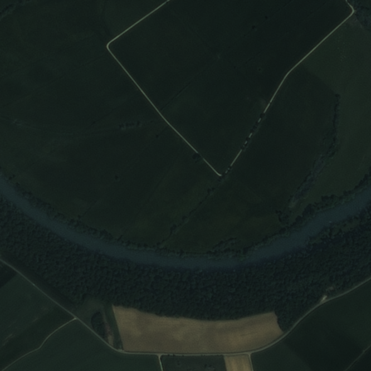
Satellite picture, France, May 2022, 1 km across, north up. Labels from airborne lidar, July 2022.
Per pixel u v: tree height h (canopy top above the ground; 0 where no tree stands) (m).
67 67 0
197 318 7
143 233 0
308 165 0
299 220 16
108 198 0
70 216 0
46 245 25
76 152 0
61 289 16
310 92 0
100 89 0
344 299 0
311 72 0
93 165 0
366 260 19
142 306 20
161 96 0
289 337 0
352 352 0
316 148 0
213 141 0
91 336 0
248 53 0
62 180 0
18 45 0
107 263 25
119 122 0
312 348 0
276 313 12
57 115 0
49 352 0
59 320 0
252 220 0
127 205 0
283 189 0
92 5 0
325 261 18
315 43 0
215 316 19
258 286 22
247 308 18
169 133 0
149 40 0
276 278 20
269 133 0
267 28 0
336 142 16
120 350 0
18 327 0
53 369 0
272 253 0
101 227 0
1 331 0
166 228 0
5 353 0
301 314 18
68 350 0
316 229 0
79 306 8
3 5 0
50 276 16
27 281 0
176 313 21
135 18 0
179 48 0
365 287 0
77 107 0
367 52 0
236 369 0
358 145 0
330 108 0
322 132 0
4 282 0
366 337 0
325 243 19
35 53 0
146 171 0
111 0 0
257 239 0
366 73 0
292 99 0
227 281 27
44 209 16
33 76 0
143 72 0
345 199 10
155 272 27
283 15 0
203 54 0
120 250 0
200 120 0
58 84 0
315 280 18
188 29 0
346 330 0
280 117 0
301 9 0
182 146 0
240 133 0
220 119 0
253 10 0
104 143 0
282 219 19
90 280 27
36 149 0
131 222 0
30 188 0
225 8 0
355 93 0
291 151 0
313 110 0
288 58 0
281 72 0
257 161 0
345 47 0
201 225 0
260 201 0
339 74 0
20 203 0
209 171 0
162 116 0
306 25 0
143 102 0
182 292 29
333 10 0
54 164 0
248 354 0
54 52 0
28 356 0
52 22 0
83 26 0
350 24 0
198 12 0
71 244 24
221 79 0
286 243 0
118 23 0
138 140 0
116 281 26
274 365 0
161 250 14
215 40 0
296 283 26
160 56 0
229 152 0
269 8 0
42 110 0
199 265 0
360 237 19
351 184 0
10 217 30
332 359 0
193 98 0
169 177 0
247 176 0
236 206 0
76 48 0
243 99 0
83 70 0
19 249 22
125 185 0
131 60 0
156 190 0
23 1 19
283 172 0
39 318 0
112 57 0
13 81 0
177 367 0
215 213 0
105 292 25
